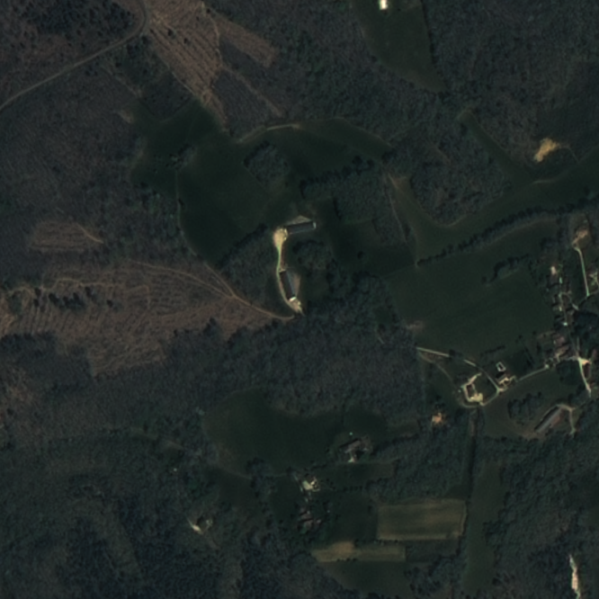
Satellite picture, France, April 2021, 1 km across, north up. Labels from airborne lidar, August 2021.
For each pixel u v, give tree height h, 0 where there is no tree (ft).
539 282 28
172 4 0
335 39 59
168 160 0
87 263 49
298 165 0
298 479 46
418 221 0
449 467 83
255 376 63
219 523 67
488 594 39
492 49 42
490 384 26
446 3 58
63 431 66
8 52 23
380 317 0
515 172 0
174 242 73
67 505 60
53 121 34
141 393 79
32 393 69
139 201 49
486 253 0
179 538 53
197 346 68
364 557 0
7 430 51
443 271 0
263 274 72
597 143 20
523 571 50
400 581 0
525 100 48
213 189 0
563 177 0
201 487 69
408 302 0
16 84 32
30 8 31
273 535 55
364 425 0
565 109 20
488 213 0
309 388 63
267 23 59
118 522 36
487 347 0
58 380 64
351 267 0
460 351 0
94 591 45
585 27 75
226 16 55
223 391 66
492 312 0
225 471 0
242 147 0
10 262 65
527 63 36
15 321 0
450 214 48
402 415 66
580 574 24
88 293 0
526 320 0
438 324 0
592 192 56
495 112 34
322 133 0
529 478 59
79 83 19
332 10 51
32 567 63
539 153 0
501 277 53
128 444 59
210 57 0
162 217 59
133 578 27
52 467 68
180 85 21
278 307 28
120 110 31
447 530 0
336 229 0
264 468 55
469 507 37
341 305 57
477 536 0
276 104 57
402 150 76
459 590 54
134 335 0
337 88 67
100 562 63
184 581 33
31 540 69
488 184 64
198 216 0
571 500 36
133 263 28
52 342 54
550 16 73
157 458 42
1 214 45
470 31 49
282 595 39
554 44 69
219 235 0
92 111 36
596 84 25
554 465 75
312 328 61
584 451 86
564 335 52
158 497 75
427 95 56
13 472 61
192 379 84
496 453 63
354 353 53
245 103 57
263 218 0
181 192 0
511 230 51
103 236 25
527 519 73
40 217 55
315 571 50
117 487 65
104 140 31
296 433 0
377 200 73
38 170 59
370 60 45
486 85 27
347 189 70
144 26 0
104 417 76
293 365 54
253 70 48
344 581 0
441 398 24
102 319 0
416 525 0
